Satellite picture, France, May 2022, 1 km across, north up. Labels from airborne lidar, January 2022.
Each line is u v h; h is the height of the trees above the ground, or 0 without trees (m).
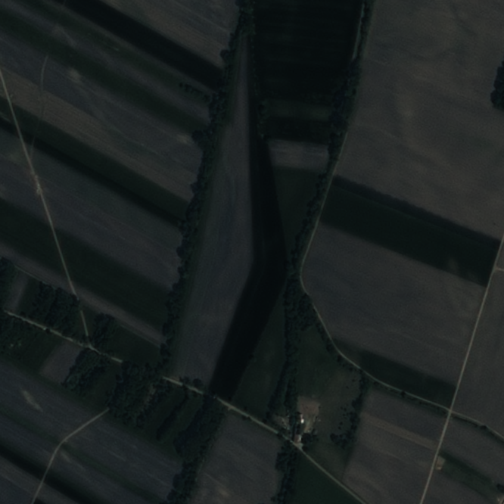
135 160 0
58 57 0
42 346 0
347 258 0
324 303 0
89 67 0
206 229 0
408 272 0
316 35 0
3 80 0
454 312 0
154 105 0
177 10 0
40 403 0
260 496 0
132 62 0
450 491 0
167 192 0
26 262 0
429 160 0
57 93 0
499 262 0
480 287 0
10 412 0
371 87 0
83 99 0
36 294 0
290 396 16
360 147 0
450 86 0
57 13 0
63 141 0
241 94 0
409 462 0
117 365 0
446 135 0
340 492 0
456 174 0
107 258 0
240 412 0
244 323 0
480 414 0
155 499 0
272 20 0
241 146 0
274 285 0
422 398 0
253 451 0
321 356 0
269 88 0
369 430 0
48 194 0
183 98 0
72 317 27
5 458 0
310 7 0
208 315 0
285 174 0
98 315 0
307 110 0
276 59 0
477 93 0
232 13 0
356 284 0
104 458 0
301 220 0
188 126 0
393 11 0
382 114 0
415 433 0
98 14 0
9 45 0
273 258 0
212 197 0
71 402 0
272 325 0
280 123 0
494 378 0
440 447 0
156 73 0
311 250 0
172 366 0
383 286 0
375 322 0
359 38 0
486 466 0
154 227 0
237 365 0
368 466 0
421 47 0
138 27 0
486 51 0
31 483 0
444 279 0
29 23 0
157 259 0
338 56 0
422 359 0
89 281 0
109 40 0
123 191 0
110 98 0
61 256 0
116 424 0
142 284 0
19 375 0
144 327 0
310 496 0
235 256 0
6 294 16
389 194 0
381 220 0
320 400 0
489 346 0
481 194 0
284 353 0
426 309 0
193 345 0
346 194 0
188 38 0
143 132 0
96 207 0
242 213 0
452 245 0
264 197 0
